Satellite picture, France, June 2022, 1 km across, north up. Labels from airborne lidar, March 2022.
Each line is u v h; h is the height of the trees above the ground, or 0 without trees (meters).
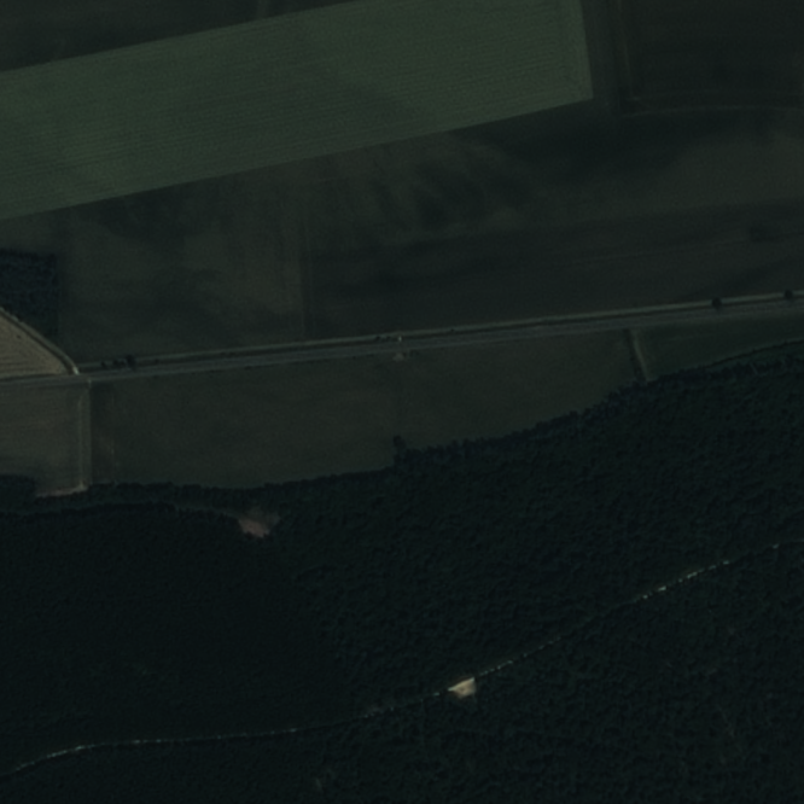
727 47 0
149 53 0
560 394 0
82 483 0
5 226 0
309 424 0
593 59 0
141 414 0
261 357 0
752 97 0
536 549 9
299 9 0
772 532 16
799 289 0
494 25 0
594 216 0
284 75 0
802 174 0
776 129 0
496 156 0
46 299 17
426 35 0
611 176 0
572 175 0
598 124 0
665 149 0
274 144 0
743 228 0
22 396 0
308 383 0
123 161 0
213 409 0
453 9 0
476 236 0
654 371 0
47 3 0
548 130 0
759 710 15
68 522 0
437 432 0
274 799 12
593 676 10
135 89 0
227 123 0
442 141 0
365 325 0
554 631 16
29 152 0
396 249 0
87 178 0
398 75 0
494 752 13
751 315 0
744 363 0
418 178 0
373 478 15
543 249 0
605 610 11
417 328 0
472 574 9
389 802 15
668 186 0
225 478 0
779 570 20
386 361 0
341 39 0
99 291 0
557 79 0
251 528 0
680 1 0
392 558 13
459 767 12
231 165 0
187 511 0
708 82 0
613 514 13
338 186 0
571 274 0
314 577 14
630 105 0
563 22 0
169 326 0
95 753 0
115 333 0
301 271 0
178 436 0
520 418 0
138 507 0
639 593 14
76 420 0
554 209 0
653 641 18
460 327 0
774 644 19
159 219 0
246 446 0
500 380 0
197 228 0
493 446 18
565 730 14
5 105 0
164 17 0
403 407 0
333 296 0
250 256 0
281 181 0
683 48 0
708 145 0
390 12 0
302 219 0
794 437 17
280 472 0
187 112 0
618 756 17
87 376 0
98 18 0
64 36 0
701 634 14
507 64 0
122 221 0
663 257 0
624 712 13
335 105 0
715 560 17
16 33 0
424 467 23
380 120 0
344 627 22
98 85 0
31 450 0
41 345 0
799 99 0
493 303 0
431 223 0
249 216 0
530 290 0
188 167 0
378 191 0
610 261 0
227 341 0
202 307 0
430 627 20
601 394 0
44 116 0
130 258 0
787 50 0
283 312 0
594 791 17
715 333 0
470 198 0
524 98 0
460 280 0
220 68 0
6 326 0
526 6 0
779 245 0
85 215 0
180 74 0
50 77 0
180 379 0
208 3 0
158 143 0
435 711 18
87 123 0
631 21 0
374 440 0
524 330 0
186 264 0
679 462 9
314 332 0
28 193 0
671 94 0
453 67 0
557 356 0
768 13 0
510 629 18
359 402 0
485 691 12
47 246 0
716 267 0
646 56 0
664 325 0
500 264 0
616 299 0
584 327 0
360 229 0
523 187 0
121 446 0
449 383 0
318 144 0
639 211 0
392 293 0
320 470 0
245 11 0
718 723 15
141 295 0
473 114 0
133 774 0
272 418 0
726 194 0
